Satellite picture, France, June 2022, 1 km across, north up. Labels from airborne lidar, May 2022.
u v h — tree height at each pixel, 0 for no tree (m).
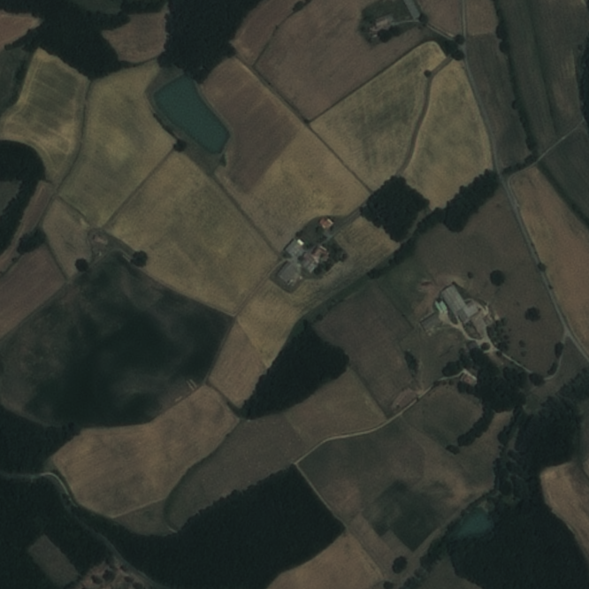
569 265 0
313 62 0
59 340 0
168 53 17
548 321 0
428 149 0
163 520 0
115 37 0
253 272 0
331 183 0
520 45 0
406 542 0
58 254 0
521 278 0
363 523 0
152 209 0
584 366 0
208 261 0
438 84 0
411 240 11
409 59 0
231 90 0
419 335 0
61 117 0
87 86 0
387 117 0
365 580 0
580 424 24
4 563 9
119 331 0
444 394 0
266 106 0
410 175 0
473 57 0
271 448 0
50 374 0
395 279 0
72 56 16
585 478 0
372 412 0
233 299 0
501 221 0
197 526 13
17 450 16
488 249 0
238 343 0
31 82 0
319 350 11
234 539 11
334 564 0
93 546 12
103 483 0
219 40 15
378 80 0
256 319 0
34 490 10
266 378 17
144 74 0
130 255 0
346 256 10
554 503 0
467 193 25
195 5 19
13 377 0
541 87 0
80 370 0
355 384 0
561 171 0
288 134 0
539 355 0
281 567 10
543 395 0
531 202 0
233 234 0
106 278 0
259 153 0
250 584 11
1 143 12
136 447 0
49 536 8
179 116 0
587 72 12
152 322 0
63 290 0
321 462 0
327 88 0
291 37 0
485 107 0
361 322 0
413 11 0
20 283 0
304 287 0
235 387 0
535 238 0
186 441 0
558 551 24
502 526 23
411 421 0
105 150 0
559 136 0
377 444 0
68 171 0
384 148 0
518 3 0
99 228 0
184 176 0
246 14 11
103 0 0
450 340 0
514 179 0
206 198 0
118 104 0
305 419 0
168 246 0
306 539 12
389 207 20
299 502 10
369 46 0
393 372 0
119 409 0
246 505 12
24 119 0
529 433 30
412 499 0
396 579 0
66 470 0
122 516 0
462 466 0
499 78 0
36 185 19
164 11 0
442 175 0
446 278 0
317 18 0
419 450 0
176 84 0
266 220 0
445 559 16
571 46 0
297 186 0
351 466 0
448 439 0
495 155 0
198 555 12
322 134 0
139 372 0
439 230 0
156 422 0
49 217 0
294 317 0
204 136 0
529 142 9
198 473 0
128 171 0
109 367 0
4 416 18
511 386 14
